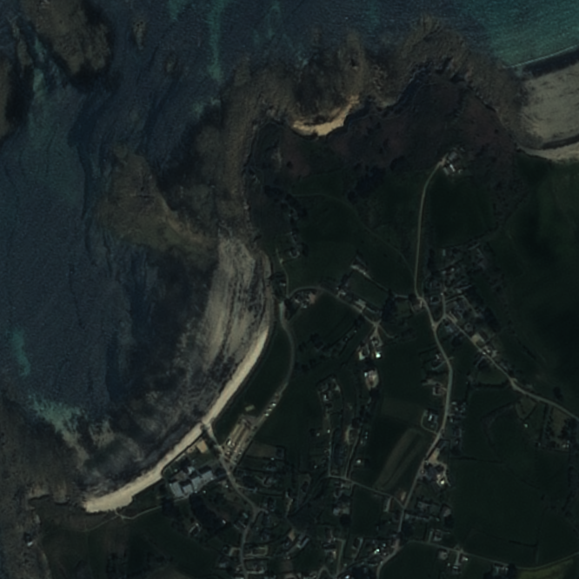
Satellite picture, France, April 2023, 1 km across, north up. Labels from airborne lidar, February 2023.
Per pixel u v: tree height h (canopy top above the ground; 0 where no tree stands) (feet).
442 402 0
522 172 0
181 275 0
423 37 0
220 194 0
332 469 0
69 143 0
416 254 0
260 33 0
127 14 0
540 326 0
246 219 0
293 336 0
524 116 0
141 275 0
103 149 0
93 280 0
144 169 0
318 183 0
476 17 0
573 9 0
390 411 0
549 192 0
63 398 0
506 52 0
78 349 0
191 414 0
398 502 0
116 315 0
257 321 0
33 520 0
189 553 0
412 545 0
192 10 0
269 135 0
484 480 0
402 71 0
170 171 0
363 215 0
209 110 0
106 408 0
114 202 0
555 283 0
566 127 0
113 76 0
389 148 50
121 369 0
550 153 0
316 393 0
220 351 0
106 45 0
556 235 0
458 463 0
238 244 0
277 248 0
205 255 0
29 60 0
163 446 0
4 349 0
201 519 60
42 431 0
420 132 0
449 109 0
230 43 0
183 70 0
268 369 0
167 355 0
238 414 0
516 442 0
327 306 0
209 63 0
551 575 0
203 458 0
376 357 0
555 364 0
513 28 0
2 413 0
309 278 0
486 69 0
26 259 0
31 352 0
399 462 0
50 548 0
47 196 0
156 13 0
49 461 0
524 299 0
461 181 0
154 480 0
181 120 0
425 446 0
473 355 0
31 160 0
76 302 0
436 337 0
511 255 0
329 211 0
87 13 0
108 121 0
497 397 0
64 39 0
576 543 0
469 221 0
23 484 0
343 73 0
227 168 0
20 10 0
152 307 0
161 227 0
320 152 0
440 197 0
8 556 0
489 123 0
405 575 0
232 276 0
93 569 0
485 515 0
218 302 0
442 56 0
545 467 0
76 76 0
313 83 0
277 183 26
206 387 0
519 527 0
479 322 39
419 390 0
